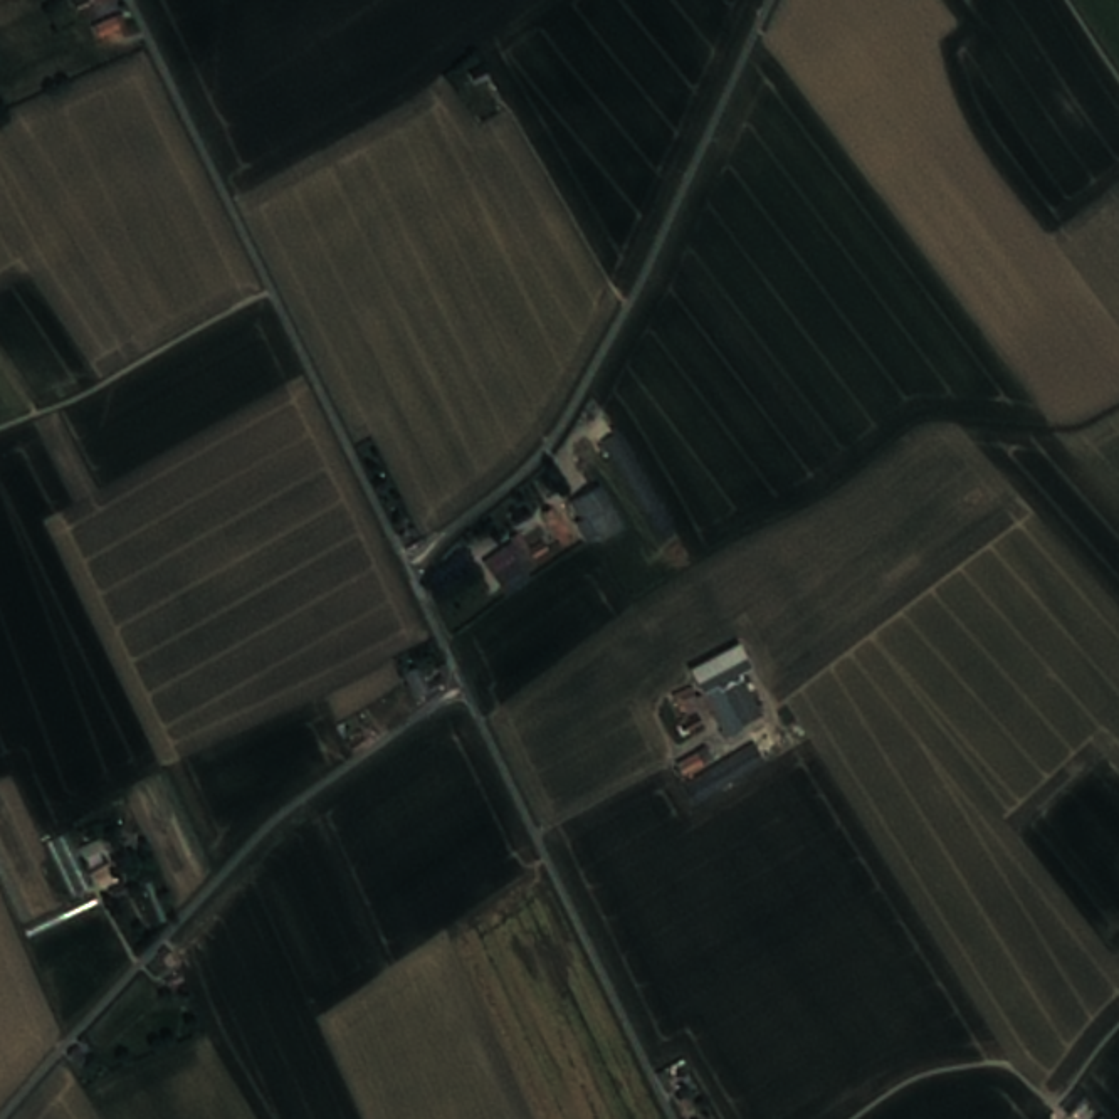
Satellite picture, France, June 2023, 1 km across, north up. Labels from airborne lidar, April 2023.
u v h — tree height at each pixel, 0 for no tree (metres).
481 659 0
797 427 0
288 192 0
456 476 0
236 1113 0
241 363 0
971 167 0
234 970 0
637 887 0
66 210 0
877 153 0
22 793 0
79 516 0
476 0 0
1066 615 0
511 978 0
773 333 0
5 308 0
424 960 0
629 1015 0
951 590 0
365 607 0
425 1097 0
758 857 0
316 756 0
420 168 0
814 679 0
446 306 0
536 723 0
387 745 0
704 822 0
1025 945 0
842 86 0
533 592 0
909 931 0
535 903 0
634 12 0
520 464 0
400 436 0
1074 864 0
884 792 0
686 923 0
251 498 0
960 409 0
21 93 0
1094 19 0
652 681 0
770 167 0
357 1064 0
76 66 0
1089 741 0
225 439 0
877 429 0
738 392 0
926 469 0
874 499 0
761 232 0
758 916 0
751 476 0
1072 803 0
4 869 0
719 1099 0
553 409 0
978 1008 0
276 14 0
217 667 0
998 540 0
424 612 0
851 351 0
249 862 0
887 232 0
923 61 0
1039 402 0
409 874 0
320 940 0
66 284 0
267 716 0
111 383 0
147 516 0
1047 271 0
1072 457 0
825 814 0
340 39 0
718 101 0
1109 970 0
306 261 0
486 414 0
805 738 0
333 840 0
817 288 0
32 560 0
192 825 0
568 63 0
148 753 0
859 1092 0
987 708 0
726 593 0
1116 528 0
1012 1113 0
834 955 0
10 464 0
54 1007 0
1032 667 0
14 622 0
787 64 0
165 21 0
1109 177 0
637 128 0
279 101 0
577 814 0
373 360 0
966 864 0
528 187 0
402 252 0
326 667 0
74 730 0
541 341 0
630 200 0
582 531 6
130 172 0
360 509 0
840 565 0
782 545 0
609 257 0
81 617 0
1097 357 0
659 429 0
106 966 0
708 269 0
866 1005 0
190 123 0
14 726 0
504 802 0
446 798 0
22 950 0
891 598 0
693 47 0
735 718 0
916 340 0
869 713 0
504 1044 0
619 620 0
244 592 0
